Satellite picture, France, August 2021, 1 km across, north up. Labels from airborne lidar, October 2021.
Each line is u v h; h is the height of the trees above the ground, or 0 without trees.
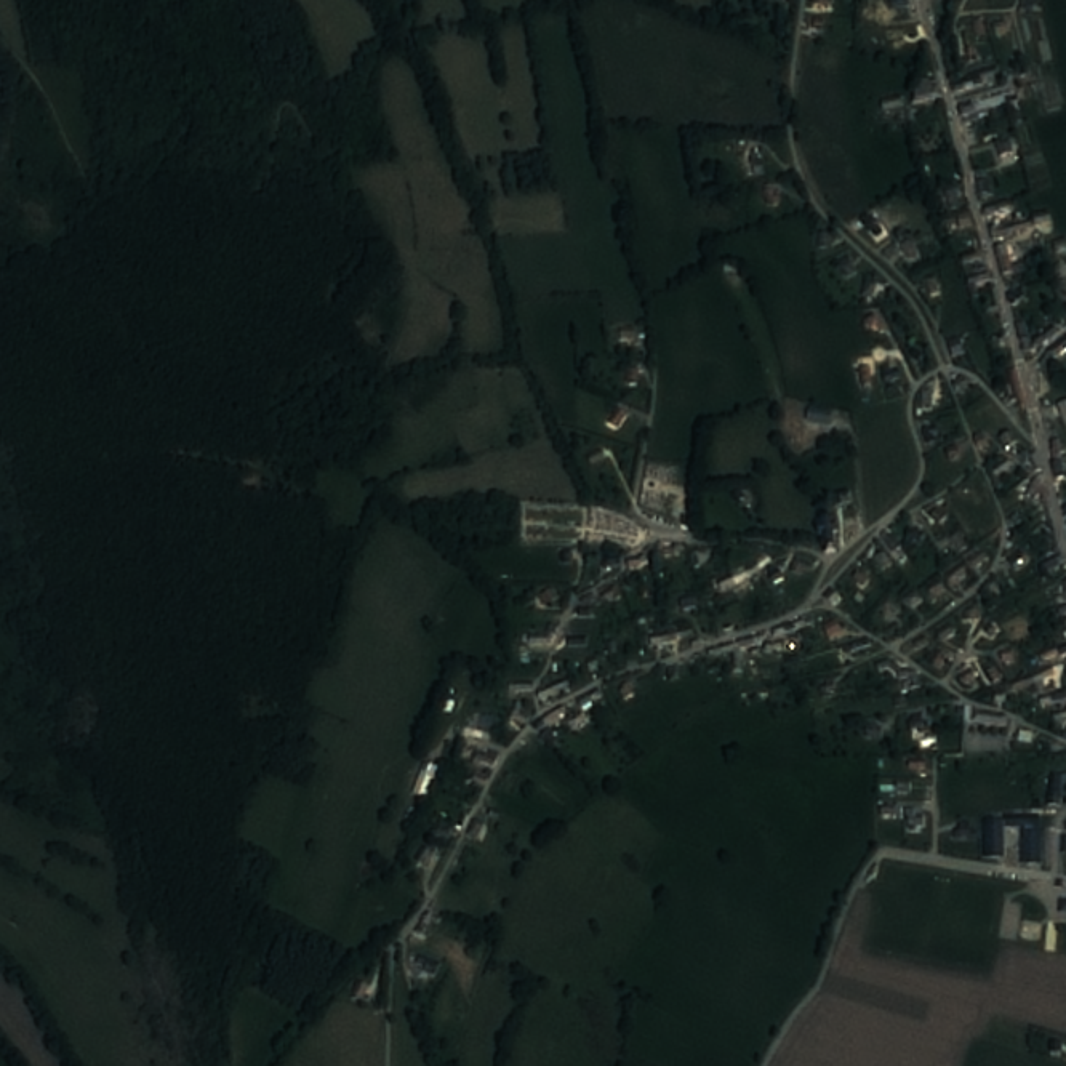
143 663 18
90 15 12
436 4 0
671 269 0
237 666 20
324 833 0
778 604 0
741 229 7
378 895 0
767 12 7
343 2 0
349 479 0
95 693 9
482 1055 0
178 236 20
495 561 0
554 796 0
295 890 0
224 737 19
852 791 0
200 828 16
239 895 11
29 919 0
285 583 21
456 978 0
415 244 0
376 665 0
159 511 22
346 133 14
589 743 0
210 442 21
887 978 0
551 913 0
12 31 0
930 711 11
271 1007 0
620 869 0
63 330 17
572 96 0
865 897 0
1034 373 0
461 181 13
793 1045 0
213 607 18
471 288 0
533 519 0
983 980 0
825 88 0
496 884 0
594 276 0
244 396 23
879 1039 0
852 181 0
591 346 0
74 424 18
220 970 13
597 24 0
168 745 18
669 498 0
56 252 11
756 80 0
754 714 0
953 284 0
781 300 0
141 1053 0
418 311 0
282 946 22
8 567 5
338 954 17
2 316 15
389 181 0
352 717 0
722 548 6
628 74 0
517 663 0
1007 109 17
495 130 0
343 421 21
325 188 13
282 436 19
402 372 11
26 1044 0
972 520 0
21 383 15
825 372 0
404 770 0
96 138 7
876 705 0
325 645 6
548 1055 0
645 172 0
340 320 19
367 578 0
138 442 19
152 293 16
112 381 21
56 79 0
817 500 9
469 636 0
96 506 20
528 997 19
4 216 7
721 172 19
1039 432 0
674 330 0
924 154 10
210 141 9
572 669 8
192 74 14
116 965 0
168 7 15
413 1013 20
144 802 19
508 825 0
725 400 0
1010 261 0
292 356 20
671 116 0
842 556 0
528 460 0
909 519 8
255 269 21
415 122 0
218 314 20
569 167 0
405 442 0
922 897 0
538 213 0
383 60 9
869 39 0
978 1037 0
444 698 20
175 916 17
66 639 12
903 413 0
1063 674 0
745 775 0
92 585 14
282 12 20
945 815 0
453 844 12
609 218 0
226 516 23
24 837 0
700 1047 0
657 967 0
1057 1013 0
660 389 0
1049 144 0
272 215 17
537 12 15
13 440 10
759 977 0
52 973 0
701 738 0
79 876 0
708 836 0
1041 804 9
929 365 5
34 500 12
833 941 12
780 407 12
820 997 0
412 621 0
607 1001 0
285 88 15
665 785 0
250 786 15
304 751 19
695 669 7
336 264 18
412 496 0
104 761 13
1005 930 0
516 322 15
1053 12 0
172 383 22
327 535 18
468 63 0
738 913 0
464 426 0
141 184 14
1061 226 0
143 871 14
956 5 15
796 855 0
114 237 19
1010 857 0
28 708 10
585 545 12
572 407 0
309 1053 0
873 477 0
